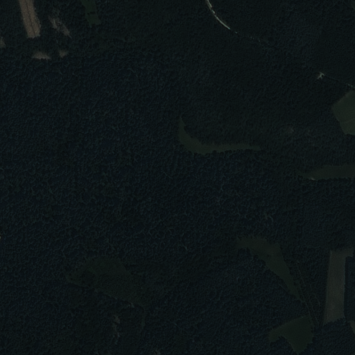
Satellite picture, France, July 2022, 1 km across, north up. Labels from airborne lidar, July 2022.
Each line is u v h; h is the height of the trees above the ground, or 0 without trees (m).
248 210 18
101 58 19
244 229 29
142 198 36
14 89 33
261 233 24
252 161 29
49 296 10
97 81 24
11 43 18
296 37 30
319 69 19
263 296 16
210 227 30
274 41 20
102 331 19
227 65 19
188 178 20
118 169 20
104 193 6
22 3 0
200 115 23
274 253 0
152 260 23
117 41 23
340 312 0
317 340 22
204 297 28
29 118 32
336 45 14
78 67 22
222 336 28
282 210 24
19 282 38
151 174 18
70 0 11
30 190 35
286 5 16
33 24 0
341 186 20
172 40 15
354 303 27
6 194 31
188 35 14
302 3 22
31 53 15
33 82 35
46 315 31
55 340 8
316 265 18
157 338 23
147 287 11
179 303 15
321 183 15
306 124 18
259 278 27
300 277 9
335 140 19
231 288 23
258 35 21
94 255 31
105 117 9
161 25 19
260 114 14
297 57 24
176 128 22
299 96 23
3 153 29
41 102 31
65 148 15
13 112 40
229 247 20
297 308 30
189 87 23
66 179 36
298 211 16
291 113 21
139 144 27
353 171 0
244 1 24
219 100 18
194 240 30
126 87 34
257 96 21
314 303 9
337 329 21
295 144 10
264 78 16
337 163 28
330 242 18
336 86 20
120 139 34
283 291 23
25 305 35
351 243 20
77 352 13
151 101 25
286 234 26
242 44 22
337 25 16
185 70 18
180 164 38
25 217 29
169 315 11
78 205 31
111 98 21
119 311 22
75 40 12
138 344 19
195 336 7
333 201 25
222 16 23
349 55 22
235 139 23
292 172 14
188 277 17
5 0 20
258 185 33
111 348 22
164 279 9
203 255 18
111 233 40
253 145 17
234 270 31
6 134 9
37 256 34
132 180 33
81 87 30
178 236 22
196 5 18
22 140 36
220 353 29
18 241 33
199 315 27
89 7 0
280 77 24
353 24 22
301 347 0
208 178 17
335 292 0
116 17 12
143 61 10
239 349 26
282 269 0
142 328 27
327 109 23
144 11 22
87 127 35
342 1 14
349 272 25
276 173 23
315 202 11
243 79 21
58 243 35
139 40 7
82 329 23
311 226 22
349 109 0
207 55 25
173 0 15
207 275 26
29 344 15
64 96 26
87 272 6
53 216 17
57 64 23
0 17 19
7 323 24
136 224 13
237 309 18
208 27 22
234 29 22
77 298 25
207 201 37
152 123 22
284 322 24
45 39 18
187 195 21
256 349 26
